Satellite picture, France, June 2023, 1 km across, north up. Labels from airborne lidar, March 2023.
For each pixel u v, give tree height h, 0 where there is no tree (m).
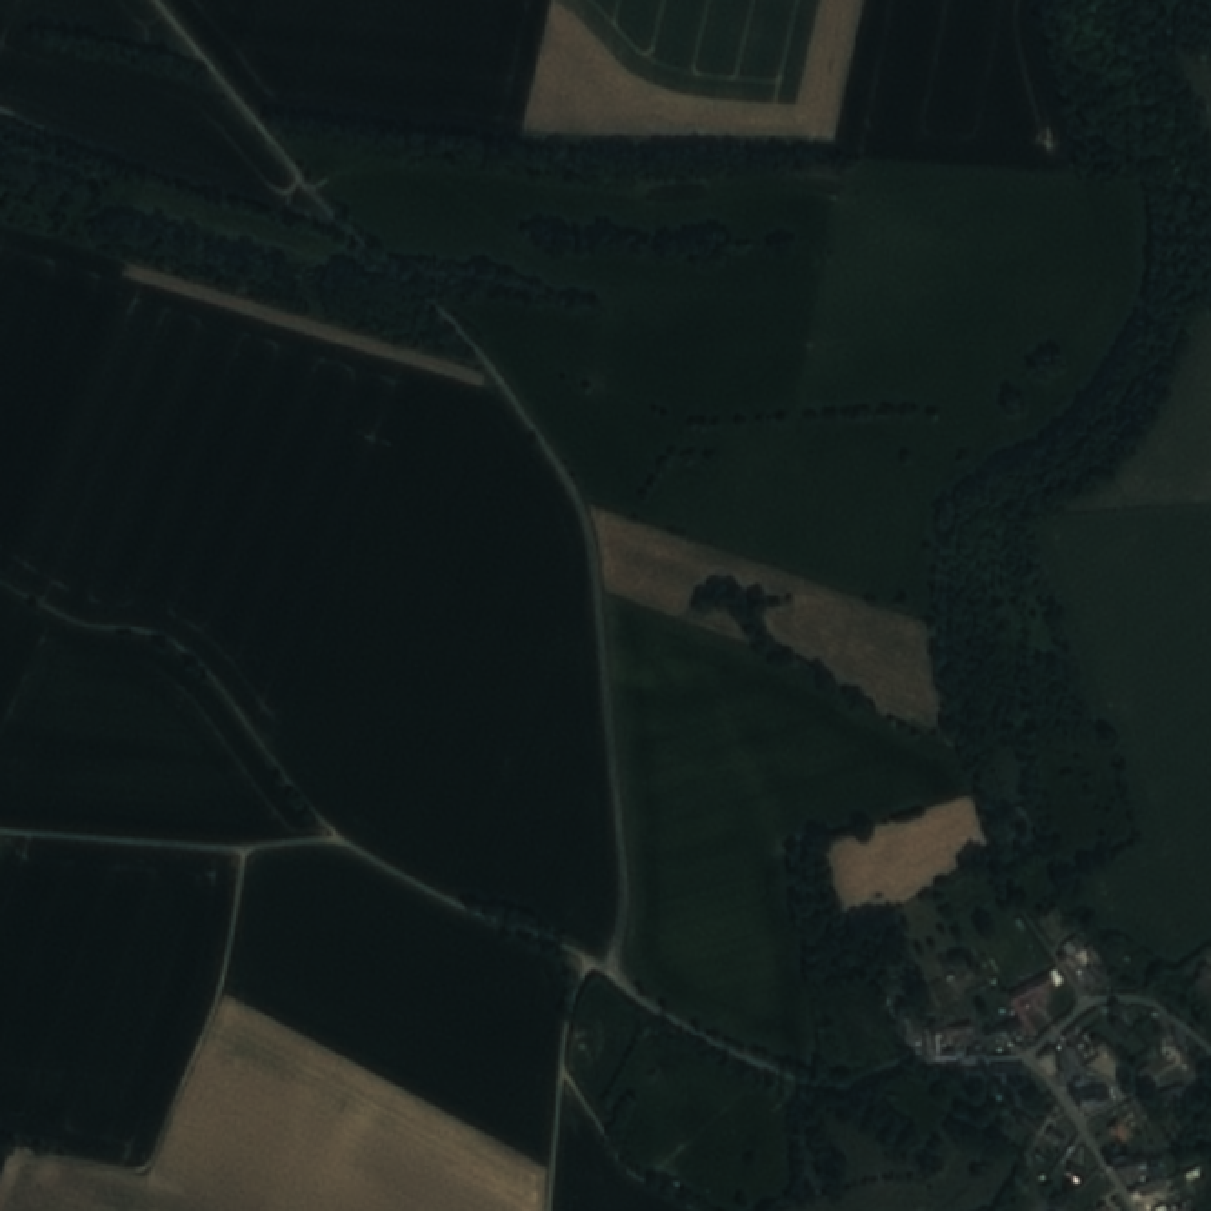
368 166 0
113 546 0
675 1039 8
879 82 0
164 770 0
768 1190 0
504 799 0
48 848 0
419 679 0
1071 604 0
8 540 0
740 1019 0
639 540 0
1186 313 11
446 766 0
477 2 0
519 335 0
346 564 0
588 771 0
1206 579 0
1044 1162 0
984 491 16
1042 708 12
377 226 0
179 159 0
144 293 0
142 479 0
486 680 0
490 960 0
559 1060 0
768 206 0
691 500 0
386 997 0
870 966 21
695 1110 0
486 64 0
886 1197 0
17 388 0
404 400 0
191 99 0
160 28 0
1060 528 0
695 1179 0
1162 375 19
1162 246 18
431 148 20
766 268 0
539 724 0
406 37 0
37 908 0
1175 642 0
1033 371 17
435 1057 0
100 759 0
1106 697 0
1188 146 21
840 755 0
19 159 23
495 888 0
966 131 0
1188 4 12
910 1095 0
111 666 0
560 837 0
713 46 0
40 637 0
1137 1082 8
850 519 0
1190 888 0
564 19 0
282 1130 0
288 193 0
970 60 0
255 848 0
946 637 16
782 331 0
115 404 0
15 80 0
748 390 0
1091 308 0
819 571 0
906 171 0
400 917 0
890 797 0
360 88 0
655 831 0
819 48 0
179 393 0
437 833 0
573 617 0
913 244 0
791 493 0
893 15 0
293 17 0
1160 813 0
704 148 19
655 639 0
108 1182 0
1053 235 0
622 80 0
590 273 0
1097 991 0
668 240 20
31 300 0
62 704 0
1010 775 0
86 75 0
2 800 0
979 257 0
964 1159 0
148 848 0
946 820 0
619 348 0
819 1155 9
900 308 0
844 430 0
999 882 10
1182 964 6
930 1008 10
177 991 0
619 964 0
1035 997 0
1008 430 0
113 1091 0
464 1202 0
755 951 0
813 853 15
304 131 12
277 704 0
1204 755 0
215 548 0
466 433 0
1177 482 0
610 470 0
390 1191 0
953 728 19
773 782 0
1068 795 0
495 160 18
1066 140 0
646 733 0
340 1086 0
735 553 0
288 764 0
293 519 0
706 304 0
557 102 0
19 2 0
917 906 0
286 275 14
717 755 0
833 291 0
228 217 0
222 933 0
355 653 0
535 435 8
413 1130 0
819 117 0
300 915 0
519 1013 0
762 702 0
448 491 0
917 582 0
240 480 0
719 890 0
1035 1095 17
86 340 0
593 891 0
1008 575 6
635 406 0
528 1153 0
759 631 17
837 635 0
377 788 0
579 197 0
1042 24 13
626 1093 8
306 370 0
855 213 0
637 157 16
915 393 0
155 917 0
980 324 0
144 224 21
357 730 0
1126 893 0
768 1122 0
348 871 0
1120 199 0
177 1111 0
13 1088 0
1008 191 0
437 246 0
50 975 0
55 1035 0
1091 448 23
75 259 0
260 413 0
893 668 0
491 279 9
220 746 0
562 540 0
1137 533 0
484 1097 0
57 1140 0
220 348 0
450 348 12
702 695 0
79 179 25
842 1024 0
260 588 0
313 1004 0
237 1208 0
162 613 0
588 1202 0
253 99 0
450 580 0
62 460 0
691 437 0
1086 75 18
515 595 0
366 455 0
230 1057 0
